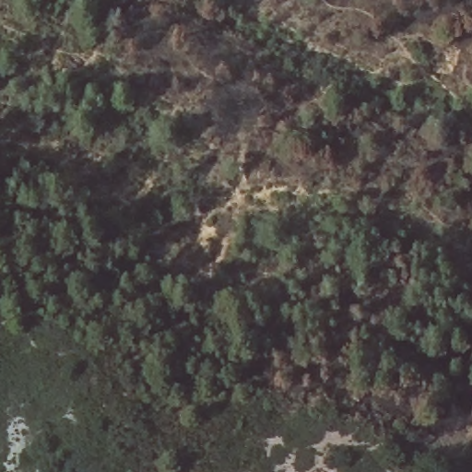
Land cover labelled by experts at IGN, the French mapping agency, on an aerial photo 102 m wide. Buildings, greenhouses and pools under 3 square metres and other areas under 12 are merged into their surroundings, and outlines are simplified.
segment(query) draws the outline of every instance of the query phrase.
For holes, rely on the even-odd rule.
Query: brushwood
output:
[[[88,350],[87,330],[83,330],[83,326],[68,323],[61,313],[55,310],[53,297],[44,308],[39,308],[37,313],[41,317],[41,323],[33,326],[29,332],[24,332],[20,328],[17,334],[11,334],[0,326],[0,461],[9,452],[9,420],[24,417],[26,428],[22,430],[22,435],[26,446],[20,452],[20,466],[15,472],[446,472],[448,463],[444,457],[435,459],[431,454],[415,454],[413,459],[409,459],[400,452],[396,444],[385,442],[383,437],[376,435],[372,426],[361,419],[360,415],[339,417],[336,407],[323,404],[321,396],[312,396],[308,404],[293,404],[293,409],[284,419],[269,419],[269,402],[264,391],[247,383],[238,383],[234,387],[229,407],[221,415],[206,422],[199,420],[194,415],[194,409],[177,395],[179,383],[168,385],[162,380],[160,369],[168,354],[164,348],[160,348],[157,334],[153,337],[153,343],[140,341],[135,343],[133,350],[114,352],[105,358],[101,350],[94,354]],[[330,444],[324,450],[315,450],[315,444],[321,441],[328,431],[352,435],[352,439],[347,446]]]

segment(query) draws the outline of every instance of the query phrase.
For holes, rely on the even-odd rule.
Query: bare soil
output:
[[[352,439],[352,435],[328,431],[321,441],[315,444],[315,450],[324,450],[330,444],[347,446]]]
[[[267,29],[267,24],[271,20],[275,20],[286,11],[291,18],[282,22],[282,28],[293,31],[297,41],[304,42],[308,50],[328,53],[336,59],[345,59],[352,63],[356,70],[367,72],[371,76],[389,76],[393,68],[398,68],[400,79],[396,81],[396,87],[402,88],[413,85],[411,66],[415,65],[415,55],[409,50],[413,48],[415,41],[430,41],[431,26],[413,24],[407,33],[396,33],[385,42],[369,42],[365,39],[367,31],[378,35],[382,24],[372,11],[365,9],[371,0],[260,0],[260,26]]]
[[[9,420],[9,452],[0,461],[0,472],[15,472],[20,466],[20,452],[26,446],[22,435],[22,430],[26,428],[24,417]]]

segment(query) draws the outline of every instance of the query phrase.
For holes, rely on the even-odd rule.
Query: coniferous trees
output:
[[[133,350],[135,343],[140,341],[153,343],[153,337],[157,334],[160,348],[164,348],[168,354],[160,369],[162,380],[168,385],[179,383],[177,395],[194,409],[194,415],[199,420],[206,422],[221,415],[229,407],[234,387],[238,383],[247,383],[264,391],[269,402],[269,419],[284,419],[293,409],[293,404],[308,404],[312,396],[321,396],[323,404],[336,407],[339,417],[360,415],[361,419],[372,426],[376,435],[383,437],[385,442],[396,444],[400,452],[409,459],[413,459],[415,454],[431,454],[435,459],[444,457],[448,463],[446,472],[472,472],[472,0],[371,0],[365,9],[372,11],[382,24],[378,35],[367,31],[365,39],[369,42],[385,42],[396,33],[407,33],[413,24],[431,26],[430,41],[415,41],[413,48],[409,50],[415,55],[415,65],[411,66],[413,85],[402,88],[396,87],[396,81],[400,79],[398,68],[393,68],[389,76],[371,76],[367,72],[356,70],[352,63],[345,59],[336,59],[328,53],[308,50],[304,42],[297,41],[293,31],[282,28],[282,22],[291,18],[286,11],[275,20],[271,20],[267,24],[267,29],[260,26],[260,0],[0,0],[0,326],[11,334],[17,334],[20,328],[24,332],[29,332],[33,326],[41,323],[41,317],[37,313],[39,308],[44,308],[53,297],[55,310],[61,313],[68,323],[83,326],[83,330],[87,330],[88,350],[94,354],[101,350],[105,358],[114,352]]]

